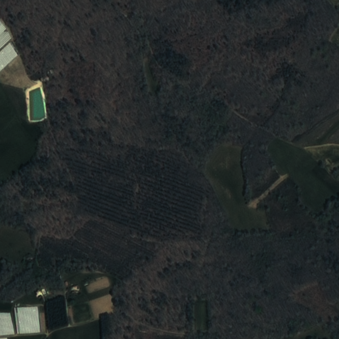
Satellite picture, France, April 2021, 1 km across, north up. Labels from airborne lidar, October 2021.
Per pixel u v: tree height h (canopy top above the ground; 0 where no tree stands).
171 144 16
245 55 19
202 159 22
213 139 22
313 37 13
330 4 12
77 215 13
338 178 19
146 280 18
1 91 0
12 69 0
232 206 0
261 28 11
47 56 16
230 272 14
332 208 10
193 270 18
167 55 9
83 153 14
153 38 10
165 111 23
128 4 15
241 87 16
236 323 20
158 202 12
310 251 16
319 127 0
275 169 18
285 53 7
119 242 7
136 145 13
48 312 16
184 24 10
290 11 12
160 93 22
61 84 17
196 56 9
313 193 0
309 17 16
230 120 14
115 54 21
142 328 15
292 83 13
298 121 10
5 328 0
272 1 27
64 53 12
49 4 17
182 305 13
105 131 9
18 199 19
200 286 22
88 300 0
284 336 17
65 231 12
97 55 15
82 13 14
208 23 9
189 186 13
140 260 7
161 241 7
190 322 26
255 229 0
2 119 0
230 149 0
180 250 17
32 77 17
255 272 7
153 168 11
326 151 0
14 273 8
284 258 17
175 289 19
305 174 0
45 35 12
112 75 15
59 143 12
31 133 0
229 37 9
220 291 24
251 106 15
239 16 18
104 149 28
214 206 13
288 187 7
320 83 14
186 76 24
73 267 7
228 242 14
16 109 0
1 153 0
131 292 13
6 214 17
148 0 13
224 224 14
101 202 14
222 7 23
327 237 15
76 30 13
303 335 0
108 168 12
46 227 15
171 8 17
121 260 6
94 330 0
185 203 11
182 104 24
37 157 16
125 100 12
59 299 15
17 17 14
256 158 15
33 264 10
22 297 15
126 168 11
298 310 23
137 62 20
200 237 11
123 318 22
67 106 30
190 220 14
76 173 13
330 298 17
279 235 12
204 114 22
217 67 7
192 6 17
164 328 10
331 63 13
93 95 11
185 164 12
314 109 13
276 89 26
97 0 16
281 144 0
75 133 15
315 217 20
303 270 17
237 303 19
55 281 12
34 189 28
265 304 18
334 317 6
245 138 16
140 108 15
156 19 17
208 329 14
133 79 11
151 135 13
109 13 17
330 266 25
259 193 12
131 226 9
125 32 23
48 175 14
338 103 12
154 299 18
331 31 17
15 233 0
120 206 14
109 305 0
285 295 15
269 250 19
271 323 26
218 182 0
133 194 12
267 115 7
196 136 19
